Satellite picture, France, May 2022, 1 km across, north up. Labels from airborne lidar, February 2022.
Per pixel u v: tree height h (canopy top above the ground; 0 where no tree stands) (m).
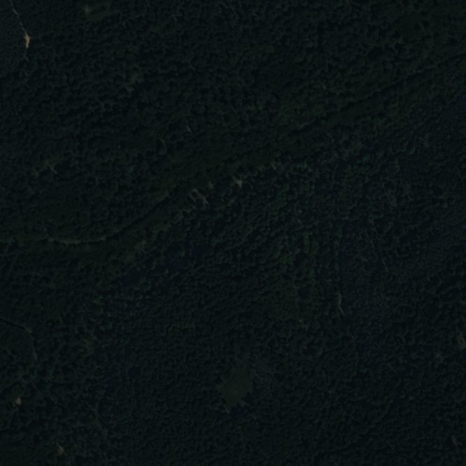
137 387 29
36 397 40
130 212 28
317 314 34
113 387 34
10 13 26
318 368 33
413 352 30
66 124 29
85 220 28
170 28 32
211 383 27
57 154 29
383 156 12
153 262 26
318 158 31
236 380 0
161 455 33
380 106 13
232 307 25
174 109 34
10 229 31
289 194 27
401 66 28
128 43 20
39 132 31
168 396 27
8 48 26
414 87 19
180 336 30
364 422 33
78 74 28
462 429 18
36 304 17
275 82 33
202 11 30
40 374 37
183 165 30
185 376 28
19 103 30
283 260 31
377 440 28
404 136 13
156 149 37
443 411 26
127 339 21
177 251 27
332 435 28
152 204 13
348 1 28
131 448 34
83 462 39
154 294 31
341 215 27
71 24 28
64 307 13
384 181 11
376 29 18
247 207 30
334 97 34
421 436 26
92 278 16
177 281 23
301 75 31
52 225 26
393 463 33
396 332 35
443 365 6
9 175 30
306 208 30
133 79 0
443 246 24
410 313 26
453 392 28
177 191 19
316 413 32
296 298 28
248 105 35
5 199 33
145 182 35
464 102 15
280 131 26
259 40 27
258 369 24
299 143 32
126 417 25
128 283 36
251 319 27
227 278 27
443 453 30
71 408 33
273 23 35
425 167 14
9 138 25
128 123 33
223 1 16
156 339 25
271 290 23
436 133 11
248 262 31
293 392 32
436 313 28
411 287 31
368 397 34
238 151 29
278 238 27
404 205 18
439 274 15
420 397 24
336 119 24
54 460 12
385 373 29
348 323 25
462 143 15
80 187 29
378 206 30
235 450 28
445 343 16
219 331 29
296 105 29
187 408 27
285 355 32
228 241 29
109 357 33
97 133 23
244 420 28
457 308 23
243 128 28
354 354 32
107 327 30
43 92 26
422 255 26
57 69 30
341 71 36
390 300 31
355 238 19
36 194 35
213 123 31
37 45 19
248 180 7
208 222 16
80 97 25
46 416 41
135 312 32
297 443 25
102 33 28
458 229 27
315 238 31
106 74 30
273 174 25
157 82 34
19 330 14
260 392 23
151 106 30
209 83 28
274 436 28
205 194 19
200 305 30
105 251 12
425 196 16
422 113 12
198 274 26
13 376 32
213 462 27
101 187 30
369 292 28
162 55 31
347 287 15
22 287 18
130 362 28
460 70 23
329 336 40
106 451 23
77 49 25
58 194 30
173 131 34
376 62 33
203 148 28
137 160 31
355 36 39
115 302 37
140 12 27
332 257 27
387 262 26
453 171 13
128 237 19
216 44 32
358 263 22
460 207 25
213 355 29
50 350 35
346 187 27
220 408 25
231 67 34
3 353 13
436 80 18
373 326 31
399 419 30
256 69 32
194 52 30
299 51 39
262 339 19
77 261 29
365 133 18
